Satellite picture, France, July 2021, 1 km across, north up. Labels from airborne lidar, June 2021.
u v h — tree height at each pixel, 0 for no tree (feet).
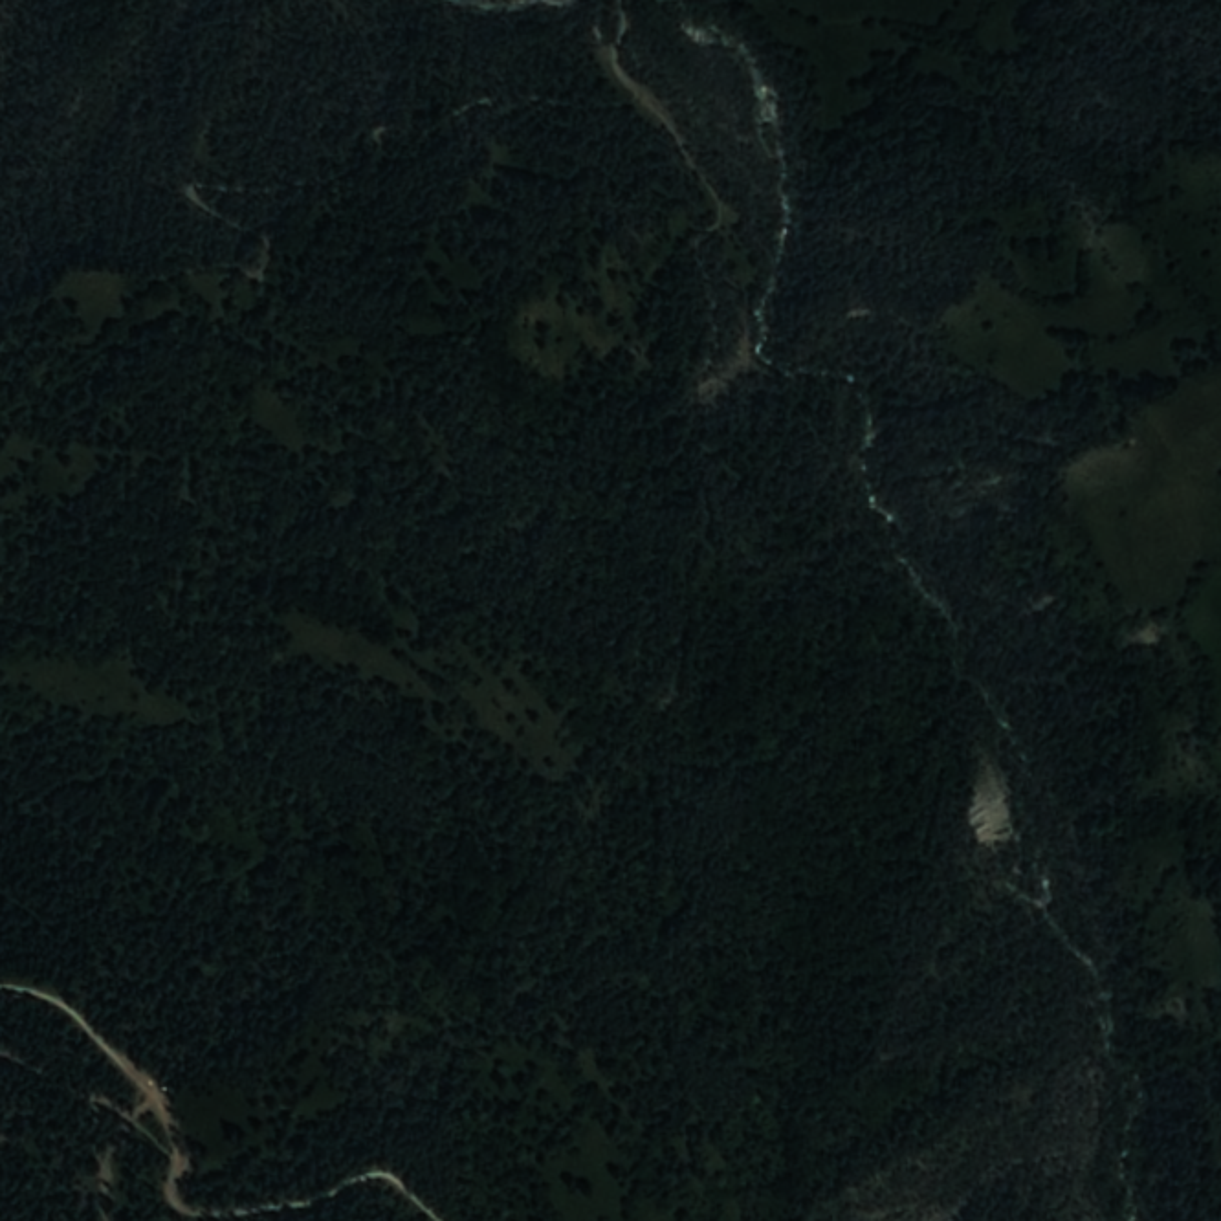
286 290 51
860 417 43
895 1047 52
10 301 79
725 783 80
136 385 55
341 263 57
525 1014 38
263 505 30
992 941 65
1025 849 38
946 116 70
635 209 46
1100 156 59
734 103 23
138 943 65
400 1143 69
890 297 50
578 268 68
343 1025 18
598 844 75
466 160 44
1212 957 0
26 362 38
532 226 78
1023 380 0
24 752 52
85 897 49
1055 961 36
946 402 30
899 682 45
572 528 67
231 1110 0
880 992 54
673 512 87
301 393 70
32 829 57
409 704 53
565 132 66
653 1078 31
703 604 19
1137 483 0
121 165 40
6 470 0
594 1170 0
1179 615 20
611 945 68
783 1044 66
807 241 29
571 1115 24
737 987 72
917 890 77
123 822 46
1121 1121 44
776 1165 27
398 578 30
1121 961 26
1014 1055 29
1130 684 27
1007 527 34
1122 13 56
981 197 47
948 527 31
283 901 49
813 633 37
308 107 35
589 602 55
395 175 67
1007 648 52
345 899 62
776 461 65
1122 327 0
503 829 72
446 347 44
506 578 66
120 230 50
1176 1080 38
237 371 37
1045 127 25
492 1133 53
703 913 60
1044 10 78
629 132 67
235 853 33
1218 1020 50
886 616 22
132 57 34
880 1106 69
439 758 46
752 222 32
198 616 43
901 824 52
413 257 73
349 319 71
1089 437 43
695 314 58
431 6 31
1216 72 39
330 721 73
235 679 41
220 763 46
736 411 50
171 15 37
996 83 63
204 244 34
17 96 43
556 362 0
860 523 33
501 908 43
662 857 80
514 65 43
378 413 40
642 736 47
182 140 52
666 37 25
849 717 69
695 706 32
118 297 0
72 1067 68
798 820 66
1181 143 31
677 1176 49
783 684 74
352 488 40
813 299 49
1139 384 29
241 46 57
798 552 41
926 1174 32
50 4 41
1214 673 29
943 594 57
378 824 70
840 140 60
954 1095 53
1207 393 0
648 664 51
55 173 28
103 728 39
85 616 73
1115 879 39
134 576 60
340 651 0
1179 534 0
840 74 0
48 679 0
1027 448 48
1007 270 46
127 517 50
